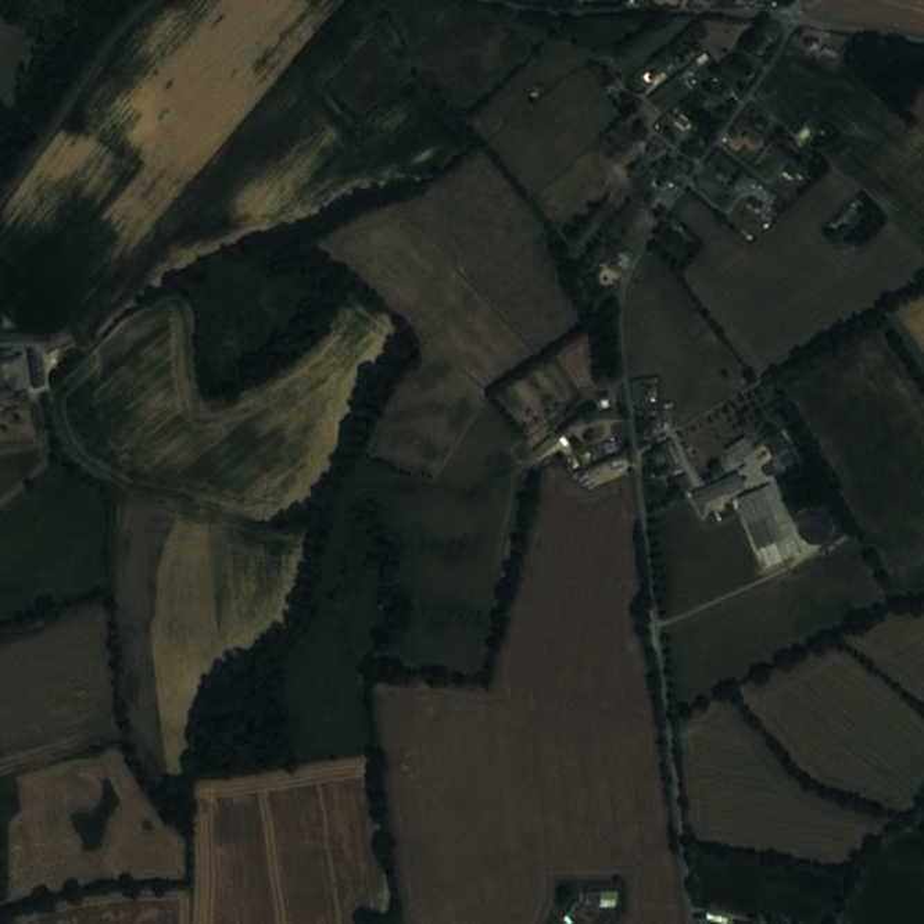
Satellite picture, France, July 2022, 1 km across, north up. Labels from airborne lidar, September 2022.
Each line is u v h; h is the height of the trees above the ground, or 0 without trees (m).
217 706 21
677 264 12
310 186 0
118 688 12
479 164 0
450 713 0
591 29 0
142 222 0
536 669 0
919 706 10
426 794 0
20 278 0
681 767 10
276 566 0
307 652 0
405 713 0
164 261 0
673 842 10
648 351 0
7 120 5
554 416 0
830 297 0
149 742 0
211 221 0
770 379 11
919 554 0
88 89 0
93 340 0
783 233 0
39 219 0
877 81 17
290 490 0
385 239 0
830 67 0
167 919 0
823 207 0
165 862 0
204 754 22
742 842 0
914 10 0
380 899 0
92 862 0
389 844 18
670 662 8
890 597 6
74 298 0
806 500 19
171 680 0
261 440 0
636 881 0
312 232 23
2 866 0
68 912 0
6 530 0
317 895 0
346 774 0
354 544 0
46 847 0
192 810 19
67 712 0
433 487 0
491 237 0
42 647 0
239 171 0
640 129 14
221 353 0
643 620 14
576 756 0
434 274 0
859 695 0
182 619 0
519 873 0
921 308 0
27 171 0
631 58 0
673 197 0
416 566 0
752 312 0
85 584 0
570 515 0
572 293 16
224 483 0
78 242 0
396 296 0
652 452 8
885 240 0
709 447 0
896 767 0
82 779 0
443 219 0
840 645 15
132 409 0
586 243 0
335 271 12
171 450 0
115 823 0
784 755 11
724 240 0
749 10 0
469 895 0
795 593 0
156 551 0
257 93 0
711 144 13
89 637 0
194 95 0
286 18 0
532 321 0
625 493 0
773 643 0
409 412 0
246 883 0
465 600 0
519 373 10
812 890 0
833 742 0
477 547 0
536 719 0
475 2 6
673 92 0
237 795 0
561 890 9
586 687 0
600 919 0
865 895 0
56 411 0
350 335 0
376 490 0
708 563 0
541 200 0
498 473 0
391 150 0
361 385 15
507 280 0
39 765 0
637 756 0
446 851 0
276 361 21
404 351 20
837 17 0
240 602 0
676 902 0
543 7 8
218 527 0
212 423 0
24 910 13
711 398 0
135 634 0
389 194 15
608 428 0
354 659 0
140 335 0
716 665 0
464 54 0
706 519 0
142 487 0
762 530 0
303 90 0
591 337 12
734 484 0
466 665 0
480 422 0
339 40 0
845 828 0
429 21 0
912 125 12
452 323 0
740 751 0
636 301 0
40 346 0
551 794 0
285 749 12
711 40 0
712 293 0
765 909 0
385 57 0
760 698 0
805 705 0
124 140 0
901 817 12
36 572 0
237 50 0
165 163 0
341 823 0
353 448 20
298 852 0
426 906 0
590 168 0
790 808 0
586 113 0
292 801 0
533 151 0
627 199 6
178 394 0
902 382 0
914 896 0
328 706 0
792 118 0
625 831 0
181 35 0
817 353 20
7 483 0
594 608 0
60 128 0
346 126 0
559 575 0
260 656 17
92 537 0
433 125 0
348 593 0
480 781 0
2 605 0
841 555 0
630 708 0
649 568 7
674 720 9
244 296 0
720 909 0
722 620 0
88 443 0
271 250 17
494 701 0
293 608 20
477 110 8
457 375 0
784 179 0
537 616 0
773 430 17
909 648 0
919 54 16
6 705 0
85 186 0
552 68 0
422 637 0
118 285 0
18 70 8
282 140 0
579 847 0
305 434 0
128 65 0
